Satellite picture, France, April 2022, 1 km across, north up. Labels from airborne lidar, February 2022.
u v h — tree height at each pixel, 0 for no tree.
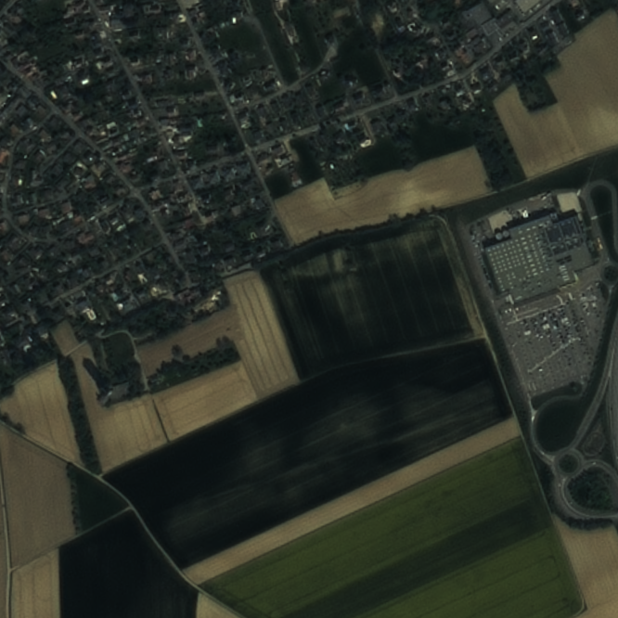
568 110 0
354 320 0
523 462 0
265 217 0
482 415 0
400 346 0
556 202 0
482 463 0
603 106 0
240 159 0
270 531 0
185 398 0
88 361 0
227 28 0
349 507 0
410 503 0
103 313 0
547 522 0
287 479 0
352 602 0
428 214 12
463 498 0
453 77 0
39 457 0
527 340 0
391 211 0
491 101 0
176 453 0
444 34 8
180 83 0
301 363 0
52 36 9
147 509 0
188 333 0
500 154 19
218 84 0
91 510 0
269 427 0
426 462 0
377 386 0
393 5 0
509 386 0
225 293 14
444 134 0
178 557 0
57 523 0
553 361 0
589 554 0
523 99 13
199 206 0
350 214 0
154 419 0
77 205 6
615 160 0
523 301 0
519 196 0
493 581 0
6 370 0
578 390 0
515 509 0
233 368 0
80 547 0
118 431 0
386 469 0
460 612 0
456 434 0
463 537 0
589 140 0
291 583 0
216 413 0
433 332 0
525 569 0
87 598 0
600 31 0
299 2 12
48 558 0
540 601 0
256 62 0
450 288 0
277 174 0
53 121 0
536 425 0
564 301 0
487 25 0
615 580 0
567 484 0
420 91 0
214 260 15
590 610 0
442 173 0
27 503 0
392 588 0
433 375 0
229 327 0
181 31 0
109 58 0
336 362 0
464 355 0
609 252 0
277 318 0
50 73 8
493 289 0
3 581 0
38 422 0
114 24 0
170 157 0
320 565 0
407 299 0
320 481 0
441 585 0
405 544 0
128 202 7
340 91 0
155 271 0
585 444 0
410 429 0
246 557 0
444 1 8
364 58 0
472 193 0
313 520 0
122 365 0
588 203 0
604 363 0
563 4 0
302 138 0
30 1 8
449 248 0
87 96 21
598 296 0
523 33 0
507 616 0
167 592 0
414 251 0
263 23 0
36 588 0
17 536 0
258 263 14
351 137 12
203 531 0
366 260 0
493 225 0
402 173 0
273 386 0
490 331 0
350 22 0
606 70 0
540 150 0
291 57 0
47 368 0
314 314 0
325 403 0
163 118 0
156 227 0
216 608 0
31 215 0
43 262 7
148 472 0
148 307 9
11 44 12
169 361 0
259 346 0
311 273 0
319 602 0
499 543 0
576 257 0
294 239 0
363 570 0
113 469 0
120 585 0
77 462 0
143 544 0
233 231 9
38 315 6
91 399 0
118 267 0
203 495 0
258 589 0
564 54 0
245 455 0
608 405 0
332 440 0
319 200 0
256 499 0
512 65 0
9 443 0
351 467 0
